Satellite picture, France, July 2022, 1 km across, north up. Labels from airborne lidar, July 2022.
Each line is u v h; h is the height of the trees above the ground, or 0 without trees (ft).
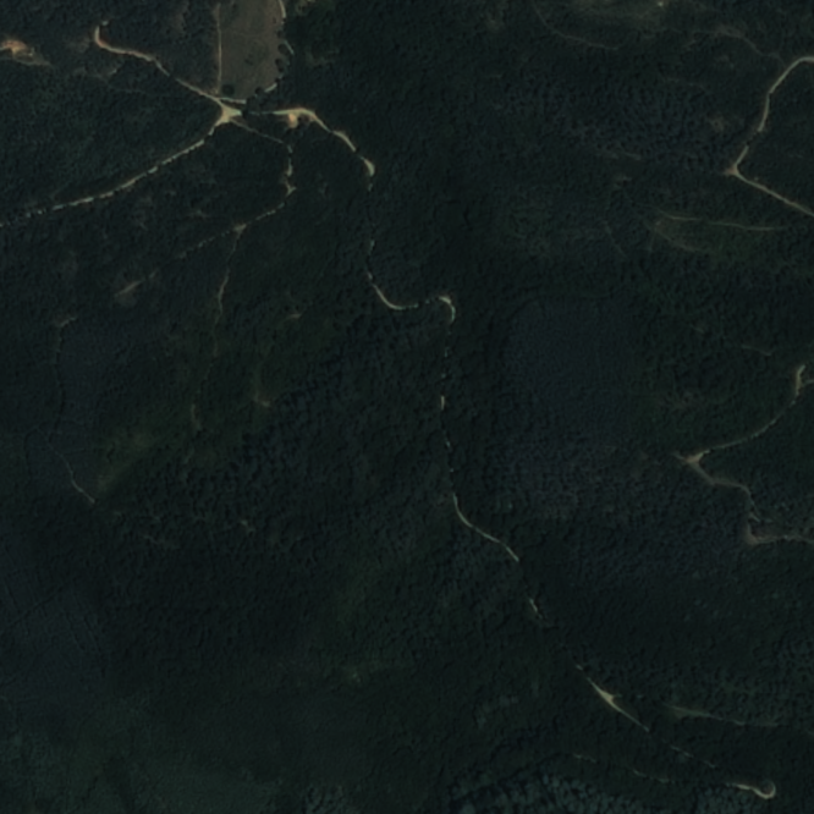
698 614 49
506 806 133
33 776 37
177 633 37
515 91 60
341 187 27
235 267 28
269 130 27
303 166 26
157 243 18
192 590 47
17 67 24
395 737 77
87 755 29
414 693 58
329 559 69
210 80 31
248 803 42
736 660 70
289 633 44
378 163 38
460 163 52
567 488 46
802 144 21
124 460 40
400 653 63
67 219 27
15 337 35
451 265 72
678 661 78
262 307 84
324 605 42
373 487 71
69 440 41
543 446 64
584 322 60
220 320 22
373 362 86
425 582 66
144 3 58
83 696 50
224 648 61
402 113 73
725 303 26
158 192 20
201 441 49
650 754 87
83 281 31
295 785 33
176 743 32
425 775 58
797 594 53
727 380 50
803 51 23
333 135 30
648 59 44
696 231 26
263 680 37
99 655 32
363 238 57
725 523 62
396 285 65
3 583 42
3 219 23
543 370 53
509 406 51
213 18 46
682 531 61
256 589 53
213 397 31
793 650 116
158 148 27
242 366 41
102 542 34
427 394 95
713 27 31
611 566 69
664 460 53
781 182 38
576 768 60
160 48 36
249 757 49
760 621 69
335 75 53
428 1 31
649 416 27
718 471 25
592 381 49
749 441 28
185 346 25
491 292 55
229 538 39
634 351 34
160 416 23
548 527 79
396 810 43
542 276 72
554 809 127
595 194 23
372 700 51
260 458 25
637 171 23
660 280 61
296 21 41
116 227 33
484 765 81
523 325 52
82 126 39
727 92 19
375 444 78
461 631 75
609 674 86
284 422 27
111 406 43
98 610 41
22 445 21
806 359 27
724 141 21
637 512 62
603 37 29
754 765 70
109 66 25
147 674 35
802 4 48
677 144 52
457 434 88
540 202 22
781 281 64
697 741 68
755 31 21
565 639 82
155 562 56
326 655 49
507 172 41
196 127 24
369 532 31
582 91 26
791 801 58
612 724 90
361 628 51
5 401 32
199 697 45
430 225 58
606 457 55
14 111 32
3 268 69
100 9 39
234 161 18
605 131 61
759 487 38
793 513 47
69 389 37
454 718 35
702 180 39
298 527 76
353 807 35
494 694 70
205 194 31
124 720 42
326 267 20
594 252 34
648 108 67
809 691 28
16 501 31
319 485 79
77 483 28
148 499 39
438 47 43
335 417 83
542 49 19
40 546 46
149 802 29
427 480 87
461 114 56
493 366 66
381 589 55
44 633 45
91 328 35
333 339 37
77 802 24
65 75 23
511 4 29
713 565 47
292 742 62
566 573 55
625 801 124
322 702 59
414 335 93
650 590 52
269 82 0
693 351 49
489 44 47
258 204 25
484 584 75
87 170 24
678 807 54
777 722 48
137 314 33
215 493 36
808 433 47
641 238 32
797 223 62
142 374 43
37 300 17
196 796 38
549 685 59
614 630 57
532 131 33
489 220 53
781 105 30
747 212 20
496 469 36
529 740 86
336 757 40
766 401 37
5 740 44
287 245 22
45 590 42
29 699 48
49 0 33
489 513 66
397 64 64
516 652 81
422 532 78
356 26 48
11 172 58
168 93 49
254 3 0
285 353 28
